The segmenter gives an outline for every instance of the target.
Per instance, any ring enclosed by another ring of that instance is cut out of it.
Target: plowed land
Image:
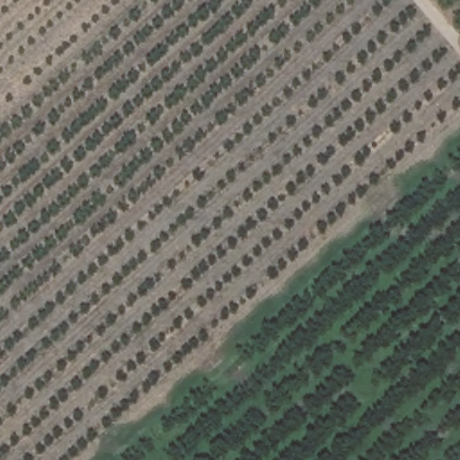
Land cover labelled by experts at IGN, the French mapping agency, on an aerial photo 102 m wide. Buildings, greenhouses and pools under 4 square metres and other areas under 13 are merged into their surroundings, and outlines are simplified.
[[[370,172],[381,171],[386,160],[395,156],[397,149],[404,147],[406,140],[410,140],[413,146],[419,144],[417,133],[426,133],[429,128],[435,128],[438,111],[447,113],[453,110],[453,99],[460,95],[460,59],[456,56],[455,50],[447,47],[444,36],[431,27],[428,38],[420,43],[417,49],[408,56],[402,56],[401,61],[392,70],[386,70],[385,59],[394,56],[395,50],[404,47],[408,40],[415,36],[415,32],[422,29],[422,25],[429,23],[426,14],[417,9],[415,16],[408,20],[406,25],[401,25],[397,32],[392,31],[390,22],[395,16],[399,16],[406,5],[413,4],[411,0],[345,0],[341,4],[343,14],[340,18],[329,23],[313,41],[307,38],[296,41],[296,52],[289,56],[289,61],[280,66],[273,77],[266,79],[264,86],[259,86],[252,97],[248,97],[248,101],[235,108],[234,113],[228,115],[225,124],[217,124],[216,128],[205,135],[183,158],[176,153],[172,156],[171,167],[165,171],[164,176],[156,181],[153,187],[149,187],[147,192],[140,194],[137,201],[129,199],[126,199],[128,210],[115,212],[115,223],[95,234],[83,252],[74,255],[61,266],[59,273],[38,287],[38,291],[32,293],[27,300],[23,300],[18,309],[11,305],[11,298],[14,295],[13,291],[7,289],[0,295],[0,345],[4,345],[5,338],[9,338],[14,331],[22,331],[23,327],[27,327],[32,314],[38,313],[43,305],[56,298],[57,291],[65,291],[66,284],[77,279],[79,271],[86,271],[90,264],[99,261],[99,255],[108,252],[110,244],[115,244],[117,239],[122,241],[122,250],[111,255],[111,259],[108,259],[102,270],[95,271],[92,279],[75,287],[74,293],[66,296],[63,304],[54,307],[54,311],[36,329],[32,329],[31,334],[14,343],[13,349],[0,361],[0,376],[13,367],[18,358],[22,358],[23,354],[32,349],[38,341],[49,336],[54,327],[68,318],[68,314],[79,309],[92,293],[101,291],[102,284],[111,282],[113,275],[120,271],[129,259],[137,257],[138,252],[146,252],[146,261],[138,264],[137,268],[131,271],[119,286],[113,287],[108,295],[99,298],[99,302],[93,304],[88,313],[77,316],[74,325],[68,327],[65,336],[61,336],[54,345],[50,345],[45,356],[36,356],[31,365],[23,368],[18,376],[0,390],[0,460],[57,460],[74,446],[77,438],[86,435],[88,428],[93,428],[104,415],[110,413],[113,406],[117,406],[124,397],[128,397],[133,386],[138,385],[140,381],[144,383],[149,372],[160,367],[176,350],[181,349],[183,343],[196,336],[199,329],[212,331],[212,318],[216,318],[217,322],[223,322],[221,309],[230,302],[237,302],[243,289],[252,286],[259,289],[268,284],[271,277],[268,277],[268,268],[279,261],[280,253],[286,252],[293,244],[298,243],[300,237],[305,237],[307,244],[311,243],[314,239],[313,230],[318,228],[318,219],[327,216],[331,208],[336,207],[345,196],[349,196],[349,192],[358,185],[365,185],[370,180]],[[433,54],[433,50],[447,47],[446,56],[438,61],[437,65],[424,70],[422,61]],[[354,124],[363,113],[367,113],[367,110],[376,108],[377,99],[385,97],[390,88],[395,92],[395,101],[388,102],[385,111],[377,115],[374,122],[365,124],[350,142],[340,144],[341,133],[349,128],[350,124]],[[361,99],[352,102],[349,110],[329,128],[325,124],[325,115],[329,115],[332,108],[340,104],[352,90],[358,90]],[[275,97],[280,99],[280,106],[271,111],[271,115],[264,117],[261,124],[252,129],[250,135],[243,137],[241,144],[234,146],[232,151],[225,149],[225,140],[230,140],[235,137],[235,133],[243,131],[244,122],[253,120],[253,115],[259,113],[262,106],[270,104]],[[354,156],[359,149],[376,142],[379,133],[385,133],[390,129],[392,120],[397,120],[401,129],[395,131],[390,142],[381,147],[381,151],[374,155],[368,153],[363,164],[356,164]],[[262,147],[264,151],[261,160],[255,160],[252,167],[239,172],[234,181],[228,180],[226,171],[243,162],[246,155],[250,155],[255,147]],[[257,190],[252,199],[244,199],[243,190],[253,180],[262,176],[262,172],[271,171],[271,167],[279,164],[286,153],[291,162],[282,169],[282,172]],[[279,207],[271,208],[266,214],[266,219],[257,223],[255,228],[252,228],[244,239],[237,241],[235,248],[232,248],[228,244],[228,237],[237,234],[237,228],[243,225],[248,217],[257,216],[257,210],[264,207],[268,199],[284,194],[287,183],[295,180],[296,172],[302,171],[307,165],[313,165],[313,176],[305,180],[296,189],[295,194],[280,201]],[[165,196],[171,196],[172,190],[180,190],[178,201],[172,201],[171,207],[164,208],[155,219],[151,219],[149,210],[153,210],[156,203],[160,203]],[[302,207],[304,201],[309,201],[309,210],[302,214],[295,225],[287,228],[284,219],[291,216],[295,208]],[[160,232],[165,232],[187,207],[194,210],[194,217],[180,226],[176,234],[171,235],[156,252],[153,252],[151,241]],[[181,279],[187,279],[192,268],[199,261],[207,259],[217,246],[223,246],[225,257],[214,262],[189,289],[181,287]],[[153,289],[149,289],[147,295],[140,296],[135,304],[129,305],[129,293],[137,291],[142,280],[151,277],[153,273],[162,275],[160,282],[155,284]],[[207,293],[208,287],[216,286],[216,280],[221,282],[223,289],[207,304],[198,305],[198,296]],[[101,356],[102,350],[111,347],[113,341],[120,340],[122,332],[129,331],[133,323],[140,322],[144,313],[171,291],[176,293],[176,298],[165,311],[155,316],[146,329],[131,336],[128,345],[117,354],[113,354],[110,361],[101,363],[97,372],[83,381],[79,390],[68,394],[68,399],[61,402],[57,410],[50,411],[49,417],[43,420],[40,426],[32,429],[31,435],[23,433],[23,424],[31,420],[36,413],[40,413],[41,406],[49,404],[50,397],[57,394],[59,388],[70,385],[72,377],[77,376],[92,359]],[[106,314],[115,313],[119,305],[126,309],[124,314],[102,334],[97,334],[97,325],[106,320]],[[158,332],[164,331],[165,327],[171,327],[176,316],[180,316],[181,320],[180,327],[174,331],[176,336],[165,336],[165,340],[160,343],[160,349],[151,349],[149,341],[153,340]],[[59,370],[57,359],[63,358],[84,336],[92,336],[92,343],[84,345],[83,352],[74,361],[66,363],[65,370]],[[25,388],[34,385],[34,381],[47,370],[52,372],[49,385],[34,392],[31,399],[27,399]],[[43,453],[36,451],[36,444],[40,444],[54,426],[61,428],[61,437],[56,438]]]
[[[129,11],[129,7],[133,7],[137,0],[0,0],[0,124],[4,122],[5,117],[13,113],[25,104],[29,95],[32,95],[41,92],[45,84],[49,84],[50,77],[63,70],[66,65],[75,63],[77,68],[84,70],[86,63],[81,57],[81,52],[95,41],[101,38],[102,31],[110,29],[111,23],[119,14]]]

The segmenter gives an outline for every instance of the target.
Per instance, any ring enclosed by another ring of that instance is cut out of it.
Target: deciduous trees
[[[5,147],[5,158],[0,160],[0,171],[4,171],[5,165],[11,164],[16,156],[22,153],[25,146],[22,140],[16,140],[13,146]]]
[[[95,234],[115,223],[115,212],[108,212],[97,223],[93,223],[92,234]]]
[[[29,225],[18,230],[18,235],[11,239],[13,248],[18,248],[29,239],[29,235],[40,230],[40,226],[49,223],[50,217],[56,216],[79,190],[88,185],[86,174],[79,174],[74,185],[68,185],[68,189],[63,190],[49,207],[41,208],[40,219],[32,219]]]
[[[99,255],[99,261],[90,264],[86,271],[79,271],[77,279],[66,284],[65,291],[57,291],[56,298],[43,305],[38,313],[32,314],[27,327],[23,327],[22,331],[14,331],[9,338],[5,338],[4,345],[0,345],[0,361],[13,349],[14,343],[31,334],[32,329],[36,329],[54,311],[54,307],[63,304],[66,296],[74,293],[75,287],[92,279],[95,271],[102,270],[108,259],[111,259],[111,255],[122,250],[122,241],[117,239],[115,244],[110,244],[108,252]]]
[[[172,29],[169,36],[165,36],[164,40],[147,52],[149,63],[158,61],[172,43],[183,38],[189,29],[196,27],[196,23],[205,20],[208,13],[217,11],[217,7],[221,5],[219,0],[207,0],[201,2],[194,13],[189,14],[187,22],[176,25],[176,29]]]
[[[102,334],[124,314],[126,309],[119,305],[115,313],[106,314],[106,320],[97,325],[97,334]]]
[[[214,262],[225,257],[223,246],[217,246],[207,259],[199,261],[192,268],[187,279],[181,279],[181,287],[189,289]]]
[[[291,20],[295,25],[311,13],[311,9],[318,7],[322,0],[307,0],[298,11],[291,14]]]
[[[282,172],[282,169],[291,162],[286,153],[279,164],[271,167],[271,171],[262,172],[262,176],[253,180],[243,190],[244,199],[252,199],[257,190]]]
[[[65,336],[68,327],[74,325],[77,316],[88,313],[93,304],[99,302],[99,298],[108,295],[113,287],[119,286],[131,271],[137,268],[138,264],[146,261],[146,252],[138,252],[137,257],[129,259],[120,271],[113,275],[111,282],[102,284],[101,291],[92,293],[79,309],[68,314],[68,318],[54,327],[49,336],[38,341],[32,349],[23,354],[22,358],[18,358],[13,367],[0,376],[0,390],[18,376],[23,368],[31,365],[36,356],[45,356],[50,345],[54,345],[61,336]]]
[[[176,153],[183,158],[205,135],[203,129],[198,129],[194,137],[185,138],[183,144],[176,147]]]
[[[106,108],[104,99],[97,99],[90,104],[88,110],[81,111],[72,120],[68,128],[63,129],[63,138],[66,142],[90,120],[95,119],[97,113]]]
[[[250,155],[246,155],[243,162],[226,171],[228,180],[234,181],[239,172],[252,167],[255,160],[261,160],[264,151],[262,147],[255,147]]]
[[[155,284],[160,282],[162,275],[153,273],[151,277],[142,280],[137,291],[129,293],[129,305],[135,304],[140,296],[147,295],[149,289],[153,289]]]
[[[225,31],[230,23],[237,20],[252,5],[253,0],[241,0],[232,5],[232,9],[228,9],[217,22],[212,23],[207,31],[203,31],[201,40],[192,43],[190,49],[181,50],[180,56],[185,63],[190,57],[201,54],[203,47]]]
[[[460,0],[431,0],[437,2],[440,9],[447,9],[455,16],[453,25],[460,34]]]
[[[234,66],[226,74],[221,75],[219,83],[210,84],[207,92],[201,95],[203,101],[194,102],[190,108],[181,111],[180,119],[172,120],[171,131],[164,129],[162,137],[151,138],[151,146],[142,149],[140,156],[135,156],[129,164],[122,165],[122,171],[115,176],[115,183],[119,187],[129,178],[133,178],[138,167],[149,162],[149,158],[158,153],[164,144],[171,142],[196,113],[207,110],[210,102],[216,99],[217,93],[228,88],[232,79],[239,77],[246,68],[250,68],[259,59],[261,52],[257,45],[250,49],[248,54],[243,54],[239,61],[235,61]]]
[[[66,234],[74,226],[84,223],[84,219],[92,214],[95,208],[106,201],[99,190],[95,190],[92,192],[92,198],[84,199],[81,207],[75,208],[74,217],[70,221],[57,226],[54,234],[45,237],[45,244],[34,246],[31,253],[27,253],[23,264],[27,268],[32,268],[34,262],[43,259],[61,239],[65,239]]]
[[[90,63],[93,57],[101,54],[102,47],[95,41],[81,52],[81,57],[86,63]]]
[[[431,27],[429,23],[422,25],[422,29],[415,32],[415,36],[408,40],[404,47],[395,50],[394,56],[385,59],[386,70],[392,70],[401,61],[402,56],[408,56],[417,49],[420,43],[428,38]]]
[[[165,97],[169,108],[181,101],[185,93],[192,92],[205,79],[208,72],[221,65],[232,50],[243,45],[248,38],[252,38],[261,25],[270,20],[275,9],[270,4],[262,7],[261,13],[253,18],[252,22],[248,22],[246,31],[235,32],[232,40],[217,50],[214,59],[207,59],[203,65],[196,66],[196,70],[187,77],[187,83],[174,86],[174,90]]]
[[[302,171],[296,172],[295,180],[287,183],[284,194],[268,199],[264,207],[257,210],[257,216],[248,217],[243,225],[237,228],[237,234],[228,237],[228,244],[232,248],[235,248],[237,241],[244,239],[252,228],[255,228],[257,223],[266,219],[266,214],[271,208],[279,207],[280,201],[295,194],[296,189],[305,180],[313,176],[313,165],[307,165]]]
[[[52,372],[47,370],[34,381],[34,385],[25,388],[27,399],[31,399],[34,392],[49,385]]]
[[[135,144],[135,133],[128,129],[124,131],[119,142],[115,142],[115,147],[111,151],[102,155],[97,164],[90,167],[93,176],[99,176],[102,169],[111,164],[115,156],[124,153],[129,146]]]
[[[137,81],[137,72],[129,70],[128,74],[122,74],[119,81],[111,84],[110,95],[113,99],[119,97],[129,84]]]
[[[0,279],[0,295],[7,289],[13,284],[14,279],[22,275],[20,268],[13,266]]]
[[[392,120],[390,129],[385,133],[379,133],[376,142],[359,149],[354,156],[356,164],[363,164],[368,153],[374,155],[381,151],[381,147],[390,142],[395,131],[401,129],[397,120]]]
[[[133,36],[138,43],[146,40],[151,32],[160,29],[167,18],[171,18],[172,14],[181,9],[185,0],[169,0],[162,7],[162,13],[156,14],[153,18],[153,23],[144,25],[140,31],[135,31]]]
[[[27,300],[32,293],[38,291],[38,287],[59,273],[61,266],[57,262],[52,264],[49,270],[40,273],[36,279],[23,287],[18,295],[14,295],[11,298],[11,305],[18,309],[23,300]]]
[[[135,108],[146,101],[147,97],[151,97],[153,92],[160,90],[162,84],[167,83],[172,75],[180,70],[180,65],[172,61],[172,65],[162,68],[162,74],[151,77],[151,81],[142,86],[142,90],[133,99],[124,102],[122,108],[126,115],[131,115]]]
[[[261,124],[264,117],[271,115],[271,111],[280,106],[280,99],[275,97],[270,104],[262,106],[259,113],[253,115],[253,120],[244,122],[243,131],[235,133],[235,137],[230,140],[225,140],[225,149],[232,151],[234,146],[241,144],[243,137],[250,135],[252,129]]]
[[[36,451],[43,453],[56,438],[61,437],[61,428],[54,426],[40,444],[36,444]]]
[[[40,198],[43,190],[49,189],[57,180],[61,180],[61,174],[57,169],[50,169],[49,174],[43,176],[40,183],[34,185],[32,192],[23,194],[22,199],[14,203],[13,210],[4,214],[5,225],[13,225],[25,208],[32,207],[34,201]]]
[[[131,336],[146,329],[155,316],[165,311],[176,298],[176,293],[171,291],[144,313],[140,322],[133,323],[129,331],[122,332],[120,340],[113,341],[111,347],[102,350],[101,356],[92,359],[77,376],[72,377],[70,385],[59,388],[57,394],[50,397],[49,404],[41,406],[40,413],[36,413],[31,420],[23,424],[23,433],[31,435],[32,429],[40,426],[43,420],[49,417],[50,411],[57,410],[61,402],[68,399],[68,394],[79,390],[83,381],[97,372],[101,363],[110,361],[113,354],[117,354],[128,345]]]
[[[151,349],[160,349],[160,343],[165,340],[165,336],[176,336],[174,331],[180,327],[181,320],[180,316],[176,316],[171,327],[165,327],[164,331],[158,332],[153,340],[149,341]]]
[[[309,201],[304,201],[302,207],[295,208],[291,216],[284,219],[287,228],[295,225],[302,214],[309,210]]]
[[[345,196],[336,207],[331,208],[327,216],[318,219],[318,228],[313,230],[314,239],[311,243],[307,244],[305,237],[300,237],[298,243],[293,244],[286,252],[280,253],[279,261],[268,268],[268,277],[271,277],[268,284],[259,289],[252,286],[243,289],[237,302],[230,302],[221,309],[223,322],[217,322],[216,318],[212,318],[212,331],[199,329],[196,336],[183,343],[181,349],[176,350],[160,367],[149,372],[144,383],[140,381],[138,385],[133,386],[128,397],[124,397],[117,406],[113,406],[110,413],[104,415],[93,428],[88,428],[86,435],[77,438],[74,446],[57,460],[460,460],[460,95],[453,99],[453,110],[447,113],[438,111],[435,128],[429,128],[426,133],[417,133],[419,144],[413,146],[410,140],[406,140],[404,147],[397,149],[395,156],[386,160],[381,171],[370,172],[370,180],[365,185],[358,185],[349,192],[349,196]]]
[[[424,70],[437,65],[438,61],[446,56],[447,47],[433,50],[433,54],[422,61]]]
[[[352,102],[361,99],[358,90],[352,90],[340,104],[332,108],[329,115],[325,115],[325,124],[329,128],[349,110]]]
[[[137,201],[140,194],[147,192],[149,187],[153,187],[156,181],[164,176],[165,171],[160,165],[155,165],[155,171],[142,181],[140,187],[129,190],[129,199]]]
[[[2,187],[5,196],[9,196],[11,190],[16,189],[22,181],[38,171],[41,164],[49,160],[49,156],[41,155],[23,164],[14,174],[13,180],[9,181],[9,185]]]
[[[198,296],[198,305],[207,304],[223,289],[221,282],[216,280],[216,286],[208,287],[207,293]]]
[[[377,115],[385,111],[388,102],[395,101],[395,92],[390,88],[385,97],[377,99],[376,108],[367,110],[367,113],[363,113],[354,124],[350,124],[349,128],[341,133],[340,144],[350,142],[365,124],[374,122]]]
[[[171,207],[172,201],[178,201],[180,190],[172,190],[171,196],[165,196],[160,203],[156,203],[153,210],[149,210],[151,219],[155,219],[164,208]]]
[[[41,92],[32,95],[34,104],[41,106],[45,97],[56,92],[59,84],[65,83],[70,77],[66,70],[63,70],[50,77],[49,84],[45,84]]]
[[[4,122],[0,124],[0,140],[7,137],[13,129],[22,126],[20,117],[13,113],[5,117]]]
[[[102,138],[110,133],[111,129],[119,126],[122,120],[117,113],[113,113],[108,122],[102,124],[102,129],[93,131],[83,146],[75,149],[74,155],[77,160],[83,160],[88,151],[101,144]]]
[[[113,66],[119,65],[122,61],[119,50],[113,50],[113,54],[101,66],[95,68],[97,77],[110,72]]]
[[[84,336],[63,358],[57,359],[59,370],[65,370],[66,363],[74,361],[83,352],[84,345],[92,343],[92,336]]]
[[[417,5],[413,4],[406,5],[399,16],[395,16],[390,22],[392,31],[397,32],[401,25],[406,25],[408,20],[415,16],[417,9]]]
[[[151,241],[153,252],[156,252],[171,235],[176,234],[180,226],[194,217],[194,210],[187,207],[165,232],[160,232]]]

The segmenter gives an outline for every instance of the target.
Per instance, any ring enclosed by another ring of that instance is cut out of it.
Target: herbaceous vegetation
[[[4,171],[0,171],[0,279],[13,266],[20,268],[22,275],[14,279],[13,284],[7,289],[13,291],[14,295],[18,295],[23,287],[36,279],[40,273],[49,270],[52,264],[57,262],[61,266],[74,255],[83,252],[95,234],[92,234],[93,223],[97,223],[108,212],[115,212],[128,210],[126,199],[129,199],[129,190],[140,187],[142,181],[155,171],[155,165],[160,165],[165,171],[171,167],[172,156],[176,153],[176,147],[183,144],[185,138],[194,137],[198,129],[203,129],[205,135],[216,128],[217,124],[225,124],[228,115],[234,113],[235,108],[248,101],[248,97],[252,97],[259,86],[264,86],[266,79],[273,77],[280,66],[289,61],[289,56],[296,52],[296,41],[307,38],[313,41],[329,23],[340,18],[343,14],[341,4],[345,0],[322,0],[318,7],[311,9],[311,13],[295,25],[291,20],[291,14],[298,11],[307,0],[253,0],[252,5],[237,20],[230,23],[225,31],[203,47],[201,54],[190,57],[185,63],[180,56],[181,50],[190,49],[192,43],[201,40],[203,31],[207,31],[212,23],[217,22],[228,9],[232,9],[232,5],[241,0],[219,0],[221,5],[217,7],[217,11],[208,13],[205,20],[196,23],[196,27],[189,29],[183,38],[172,43],[158,61],[149,63],[147,52],[164,40],[165,36],[169,36],[172,29],[176,29],[176,25],[187,22],[189,14],[194,13],[201,2],[207,0],[185,0],[181,9],[172,14],[171,18],[167,18],[160,29],[151,32],[146,40],[138,43],[133,36],[135,31],[140,31],[144,25],[153,23],[153,18],[156,14],[162,13],[162,7],[169,0],[137,0],[133,7],[129,7],[129,11],[119,14],[111,23],[110,29],[102,31],[101,38],[95,41],[102,47],[101,54],[93,57],[90,63],[86,63],[84,70],[77,68],[75,63],[66,65],[63,70],[66,70],[70,77],[65,83],[59,84],[56,92],[45,97],[41,106],[34,104],[32,95],[29,95],[25,104],[13,113],[20,117],[22,126],[13,129],[7,137],[0,140],[0,160],[5,158],[5,147],[13,146],[16,140],[22,140],[25,146],[22,153],[16,156],[11,164],[5,165]],[[174,90],[174,86],[187,83],[187,77],[196,70],[196,66],[203,65],[207,59],[214,59],[217,50],[232,40],[235,32],[246,31],[248,22],[252,22],[253,18],[261,13],[262,7],[270,4],[275,9],[270,20],[261,25],[252,38],[248,38],[243,45],[232,50],[221,65],[208,72],[205,79],[192,92],[185,93],[181,101],[169,108],[165,97]],[[210,102],[207,110],[196,113],[171,142],[164,144],[158,153],[149,158],[149,162],[138,167],[133,178],[129,178],[119,187],[115,183],[115,176],[122,171],[122,165],[129,164],[135,156],[140,156],[142,149],[151,146],[151,138],[162,137],[164,129],[171,131],[172,120],[180,119],[181,111],[190,108],[194,102],[203,101],[201,95],[207,92],[210,84],[219,83],[221,75],[226,74],[234,66],[235,61],[239,61],[243,54],[248,54],[250,49],[257,45],[261,52],[259,59],[250,68],[246,68],[239,77],[232,79],[228,88],[217,93],[216,99]],[[119,50],[122,61],[119,65],[113,66],[110,72],[97,77],[95,68],[101,66],[113,54],[113,50]],[[162,84],[160,90],[153,92],[151,97],[147,97],[146,101],[135,108],[131,115],[126,115],[122,108],[124,102],[133,99],[142,90],[142,86],[151,81],[151,77],[162,74],[162,68],[172,65],[172,61],[180,65],[180,70],[172,75],[167,83]],[[119,81],[122,74],[128,74],[129,70],[137,72],[137,81],[129,84],[119,97],[113,99],[110,95],[111,84]],[[97,99],[104,99],[106,108],[97,113],[95,119],[90,120],[66,142],[63,138],[63,129],[68,128],[72,120],[81,111],[88,110],[90,104]],[[83,146],[93,131],[102,129],[102,124],[108,122],[113,113],[117,113],[122,120],[119,126],[111,129],[110,133],[102,138],[101,144],[88,151],[83,160],[77,160],[74,155],[75,149]],[[128,129],[135,133],[135,144],[129,146],[124,153],[115,156],[111,164],[102,169],[99,176],[93,176],[90,167],[97,164],[102,155],[111,151],[115,147],[115,142],[119,142],[124,131]],[[11,190],[9,196],[5,196],[2,187],[9,185],[9,181],[13,180],[14,174],[23,164],[41,155],[49,156],[49,160],[41,164],[38,171],[22,181],[16,189]],[[43,190],[40,198],[34,201],[32,207],[25,208],[13,225],[5,225],[4,214],[13,210],[14,203],[22,199],[23,194],[32,192],[34,185],[40,183],[43,176],[49,174],[50,169],[57,169],[61,174],[61,180],[57,180],[49,189]],[[29,225],[32,219],[40,219],[41,208],[49,207],[63,190],[68,189],[68,185],[74,185],[79,174],[86,174],[88,185],[79,190],[56,216],[50,217],[49,223],[40,226],[40,230],[29,235],[29,239],[18,248],[13,248],[11,239],[18,235],[18,230]],[[106,201],[95,208],[92,214],[84,219],[84,223],[74,226],[66,234],[65,239],[61,239],[43,259],[34,262],[32,268],[27,268],[23,264],[27,253],[31,253],[34,246],[45,244],[45,237],[54,234],[57,226],[70,221],[74,217],[75,208],[81,207],[84,199],[92,198],[92,192],[95,190],[99,190]]]

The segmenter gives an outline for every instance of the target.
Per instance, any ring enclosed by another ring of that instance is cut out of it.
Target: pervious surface
[[[444,36],[447,47],[455,50],[456,56],[460,59],[460,34],[453,25],[455,16],[447,9],[440,9],[437,2],[431,0],[411,0],[413,4],[417,5],[417,9],[426,14],[429,23],[431,27]]]

